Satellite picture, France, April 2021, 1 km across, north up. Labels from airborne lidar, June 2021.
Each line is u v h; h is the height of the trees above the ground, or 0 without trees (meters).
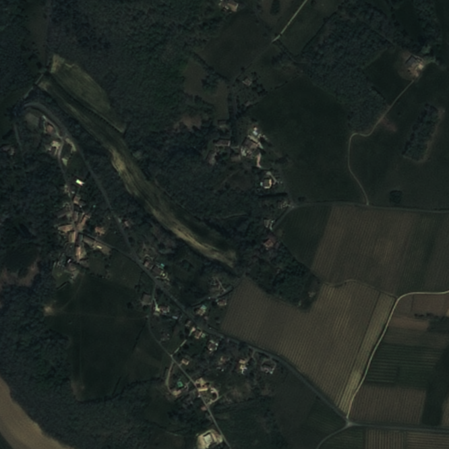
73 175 7
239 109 9
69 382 18
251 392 0
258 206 17
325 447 0
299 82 0
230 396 0
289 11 0
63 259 0
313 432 0
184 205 15
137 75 16
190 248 11
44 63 0
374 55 18
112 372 0
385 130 0
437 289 0
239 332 0
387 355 0
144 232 20
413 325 0
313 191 0
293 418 0
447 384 0
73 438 20
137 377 0
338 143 0
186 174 19
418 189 0
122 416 21
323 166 0
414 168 0
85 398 0
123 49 16
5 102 0
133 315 0
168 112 15
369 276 0
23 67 22
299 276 15
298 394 0
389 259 0
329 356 0
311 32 0
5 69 23
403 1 13
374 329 0
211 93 15
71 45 13
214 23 13
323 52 17
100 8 13
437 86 0
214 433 0
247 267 9
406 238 0
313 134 0
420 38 0
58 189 12
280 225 0
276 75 0
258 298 0
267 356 6
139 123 21
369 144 0
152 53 19
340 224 0
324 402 0
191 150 9
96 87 0
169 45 17
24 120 21
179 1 15
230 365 10
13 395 20
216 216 9
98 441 19
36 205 24
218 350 10
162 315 8
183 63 15
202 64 17
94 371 0
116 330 0
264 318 0
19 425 0
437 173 0
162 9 15
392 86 0
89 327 0
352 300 0
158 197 0
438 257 0
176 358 11
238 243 16
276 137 0
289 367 0
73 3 19
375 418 0
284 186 8
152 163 27
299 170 0
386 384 0
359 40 17
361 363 0
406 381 0
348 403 0
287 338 0
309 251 0
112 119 0
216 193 17
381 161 0
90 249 16
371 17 10
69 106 0
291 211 0
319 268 0
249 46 0
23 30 17
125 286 0
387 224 0
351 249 0
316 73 14
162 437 0
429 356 0
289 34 0
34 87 8
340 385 0
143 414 10
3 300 13
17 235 11
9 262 0
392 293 0
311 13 0
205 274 16
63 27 14
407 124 0
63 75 0
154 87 17
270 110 0
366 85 19
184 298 0
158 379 10
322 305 0
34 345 20
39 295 20
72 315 0
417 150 14
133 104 19
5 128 0
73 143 0
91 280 0
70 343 13
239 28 0
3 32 23
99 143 8
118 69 14
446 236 0
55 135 0
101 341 0
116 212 15
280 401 0
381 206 0
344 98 16
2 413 0
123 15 17
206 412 7
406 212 0
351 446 0
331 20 12
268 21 0
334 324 0
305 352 0
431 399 0
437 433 0
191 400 6
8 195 11
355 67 22
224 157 9
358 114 17
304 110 0
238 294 0
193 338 8
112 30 14
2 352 16
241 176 0
